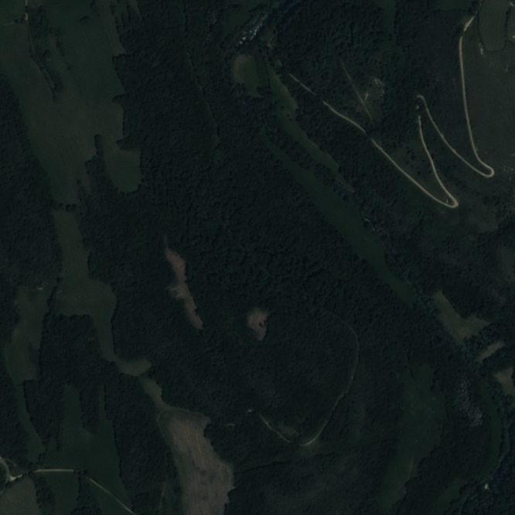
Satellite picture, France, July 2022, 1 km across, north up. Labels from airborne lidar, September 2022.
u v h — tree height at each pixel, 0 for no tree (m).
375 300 26
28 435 9
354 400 6
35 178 12
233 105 23
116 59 11
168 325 11
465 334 0
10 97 12
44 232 10
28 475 10
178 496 7
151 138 14
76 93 0
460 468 18
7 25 0
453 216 0
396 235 20
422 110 11
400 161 0
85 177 0
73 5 0
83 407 8
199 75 16
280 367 10
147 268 14
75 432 0
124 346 14
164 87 14
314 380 10
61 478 0
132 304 12
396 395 17
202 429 0
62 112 0
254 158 16
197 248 18
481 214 0
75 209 12
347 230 0
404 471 0
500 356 23
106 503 0
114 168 0
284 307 20
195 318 0
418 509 21
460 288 11
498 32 0
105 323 0
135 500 7
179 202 17
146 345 9
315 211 17
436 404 0
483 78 0
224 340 14
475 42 0
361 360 8
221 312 12
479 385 7
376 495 9
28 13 9
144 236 13
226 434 13
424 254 9
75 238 0
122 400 7
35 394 9
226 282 16
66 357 12
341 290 25
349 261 21
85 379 15
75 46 0
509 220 7
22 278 13
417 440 0
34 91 0
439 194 0
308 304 18
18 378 0
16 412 17
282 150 15
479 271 7
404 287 0
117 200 13
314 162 15
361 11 18
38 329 0
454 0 0
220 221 23
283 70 14
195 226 19
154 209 15
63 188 0
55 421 9
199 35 26
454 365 18
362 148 10
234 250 21
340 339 15
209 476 0
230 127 15
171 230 16
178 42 20
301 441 9
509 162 0
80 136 0
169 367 10
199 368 12
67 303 0
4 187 14
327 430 9
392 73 17
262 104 24
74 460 0
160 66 19
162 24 21
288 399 18
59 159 0
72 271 0
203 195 17
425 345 17
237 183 23
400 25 17
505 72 0
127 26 11
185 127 11
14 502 0
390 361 13
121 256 12
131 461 9
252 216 25
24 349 0
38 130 0
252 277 20
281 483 10
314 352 11
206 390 8
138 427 8
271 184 22
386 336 16
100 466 0
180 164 14
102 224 8
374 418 10
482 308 22
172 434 0
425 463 13
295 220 15
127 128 12
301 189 21
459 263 7
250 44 17
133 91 16
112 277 10
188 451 0
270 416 11
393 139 10
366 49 12
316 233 17
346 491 7
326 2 11
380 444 7
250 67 0
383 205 6
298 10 32
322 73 5
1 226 13
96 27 0
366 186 19
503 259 0
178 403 14
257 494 10
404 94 8
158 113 15
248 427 12
